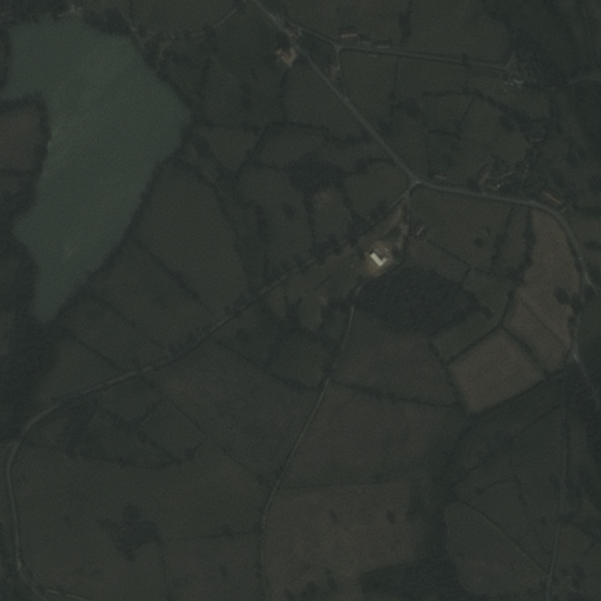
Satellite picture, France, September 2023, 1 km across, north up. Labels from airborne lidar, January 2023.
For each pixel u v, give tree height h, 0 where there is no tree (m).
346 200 11
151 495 0
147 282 0
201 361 0
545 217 0
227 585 0
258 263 0
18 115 0
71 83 0
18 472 0
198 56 0
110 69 0
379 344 0
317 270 0
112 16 18
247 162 7
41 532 0
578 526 6
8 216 15
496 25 0
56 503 0
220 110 0
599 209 0
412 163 0
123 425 14
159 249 0
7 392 19
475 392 0
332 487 0
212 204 0
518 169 11
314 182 13
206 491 0
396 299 13
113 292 0
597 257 0
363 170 14
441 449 0
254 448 0
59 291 0
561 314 0
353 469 0
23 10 19
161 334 0
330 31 0
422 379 0
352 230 16
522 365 0
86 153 0
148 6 0
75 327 0
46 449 0
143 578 0
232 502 0
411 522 0
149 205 8
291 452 0
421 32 0
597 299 0
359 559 0
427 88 0
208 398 0
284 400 0
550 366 0
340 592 0
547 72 17
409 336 0
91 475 0
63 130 0
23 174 8
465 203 0
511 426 0
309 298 0
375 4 0
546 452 0
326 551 0
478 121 0
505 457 0
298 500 0
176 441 0
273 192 0
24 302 17
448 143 0
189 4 0
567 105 0
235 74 0
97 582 0
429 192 0
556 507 0
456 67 0
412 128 0
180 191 0
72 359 0
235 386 0
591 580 0
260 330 0
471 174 0
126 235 15
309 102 0
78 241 0
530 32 0
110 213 0
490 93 0
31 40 0
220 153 0
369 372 0
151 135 0
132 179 0
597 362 0
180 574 0
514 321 0
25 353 14
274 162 0
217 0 0
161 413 0
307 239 0
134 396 0
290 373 0
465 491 0
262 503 0
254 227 0
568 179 0
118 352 0
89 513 0
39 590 12
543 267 0
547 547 0
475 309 13
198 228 0
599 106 13
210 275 0
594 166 0
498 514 0
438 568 9
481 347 0
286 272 16
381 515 0
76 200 0
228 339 0
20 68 0
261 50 0
